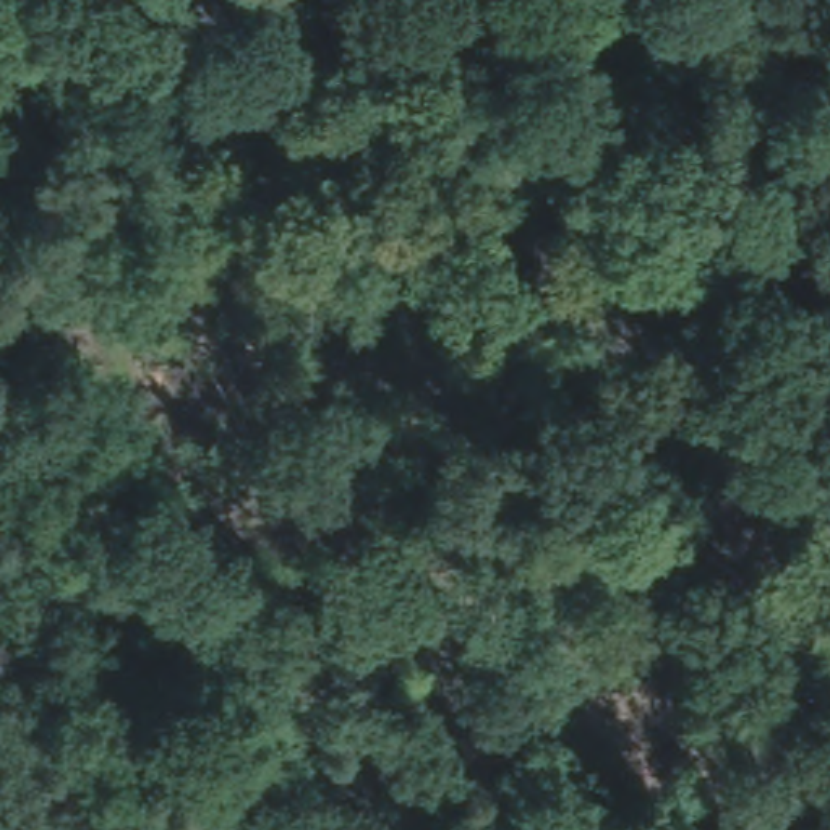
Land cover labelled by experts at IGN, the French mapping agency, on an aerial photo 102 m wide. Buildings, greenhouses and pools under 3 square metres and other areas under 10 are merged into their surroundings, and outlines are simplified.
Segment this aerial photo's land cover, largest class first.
<instances>
[{"label":"deciduous trees","instance_id":"1","mask_svg":"<svg viewBox=\"0 0 830 830\"><path fill-rule=\"evenodd\" d=\"M84 130L97 139L107 136V178L110 185L130 188V198H113V230L94 240L81 259L78 285L84 298L78 305H62V311L45 327H29L10 347H0V684H13L23 694L16 704H10L6 717L36 720L29 746L39 749L32 768V781L39 791H49L62 778L78 794L97 775H104L113 788L159 785L162 798L175 807L165 824L169 830H830V0H0V272L16 282L39 259L42 246H55L75 237L62 227V214L39 208V191H62L68 185L65 156L71 152V139H81ZM146 811L136 801H110L104 817L94 820L97 830H113L136 827Z\"/></svg>","mask_w":830,"mask_h":830},{"label":"coniferous trees","instance_id":"2","mask_svg":"<svg viewBox=\"0 0 830 830\"><path fill-rule=\"evenodd\" d=\"M107 136L97 139L84 130L81 139H71V152L65 156L68 185L62 191H39V208L62 214V227L75 237L55 246H42L39 259L16 282L0 272V347H10L29 327H45L62 311V305H78L84 298L78 285L81 259L94 240L113 230V198H130V188L110 185L107 178ZM23 694L13 684H0V830H97L94 820L104 817L110 801H136L146 811L136 827L113 830H169L165 824L175 807L162 798L159 785L113 788L104 775H97L78 794L62 778L49 791H39L32 781V768L39 749L29 746L36 720L6 717L10 704H16Z\"/></svg>","mask_w":830,"mask_h":830}]
</instances>
